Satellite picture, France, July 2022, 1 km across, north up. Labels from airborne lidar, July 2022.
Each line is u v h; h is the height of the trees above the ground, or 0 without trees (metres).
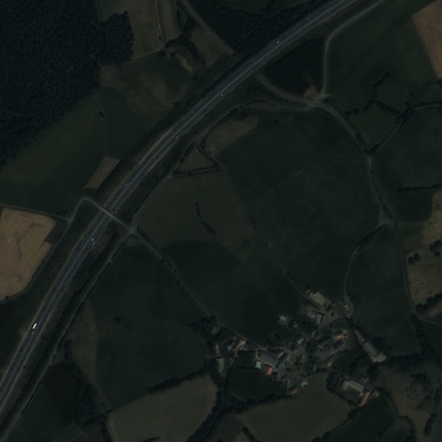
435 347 0
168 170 6
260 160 0
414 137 0
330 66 0
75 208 0
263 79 0
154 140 0
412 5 0
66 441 0
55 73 21
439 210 0
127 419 0
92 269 8
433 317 0
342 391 0
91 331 0
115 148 0
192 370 0
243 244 0
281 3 0
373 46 0
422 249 0
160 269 0
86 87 26
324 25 0
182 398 0
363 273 0
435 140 0
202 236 0
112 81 0
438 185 7
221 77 8
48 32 24
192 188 0
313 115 0
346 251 0
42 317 0
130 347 0
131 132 0
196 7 8
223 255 0
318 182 0
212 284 0
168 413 0
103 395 0
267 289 0
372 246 0
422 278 0
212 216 0
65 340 8
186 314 0
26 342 0
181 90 0
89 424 11
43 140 0
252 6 0
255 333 0
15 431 0
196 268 0
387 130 0
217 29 8
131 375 0
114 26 28
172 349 0
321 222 0
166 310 0
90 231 0
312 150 0
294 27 0
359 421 0
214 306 0
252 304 0
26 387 8
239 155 0
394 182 0
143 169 0
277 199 0
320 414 0
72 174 0
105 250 6
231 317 0
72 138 0
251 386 0
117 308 0
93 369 0
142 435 0
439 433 0
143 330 0
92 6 18
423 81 0
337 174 0
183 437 0
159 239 0
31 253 0
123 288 0
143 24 0
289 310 0
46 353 7
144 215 0
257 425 0
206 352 0
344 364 0
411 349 0
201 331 15
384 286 0
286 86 10
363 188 0
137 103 0
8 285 0
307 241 0
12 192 0
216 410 16
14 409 6
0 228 0
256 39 9
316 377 0
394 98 0
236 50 7
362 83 0
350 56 0
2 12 21
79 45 29
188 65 0
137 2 0
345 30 0
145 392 0
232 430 0
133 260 0
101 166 0
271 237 0
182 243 0
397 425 0
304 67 7
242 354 15
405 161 0
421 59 0
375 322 0
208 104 0
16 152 10
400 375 0
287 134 0
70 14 22
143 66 0
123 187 0
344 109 0
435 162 0
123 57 22
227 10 9
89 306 0
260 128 0
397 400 0
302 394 0
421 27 0
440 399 7
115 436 0
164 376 0
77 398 8
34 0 19
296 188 0
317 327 12
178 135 0
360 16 0
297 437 0
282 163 0
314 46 7
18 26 25
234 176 0
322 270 0
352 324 13
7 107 23
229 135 0
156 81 0
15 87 24
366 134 0
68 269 0
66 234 0
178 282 10
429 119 0
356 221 0
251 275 0
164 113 0
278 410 0
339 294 0
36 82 21
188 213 0
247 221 0
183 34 7
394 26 0
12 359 0
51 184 0
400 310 0
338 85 0
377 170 0
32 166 0
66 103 24
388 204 0
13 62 21
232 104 0
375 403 0
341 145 0
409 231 0
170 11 0
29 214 0
